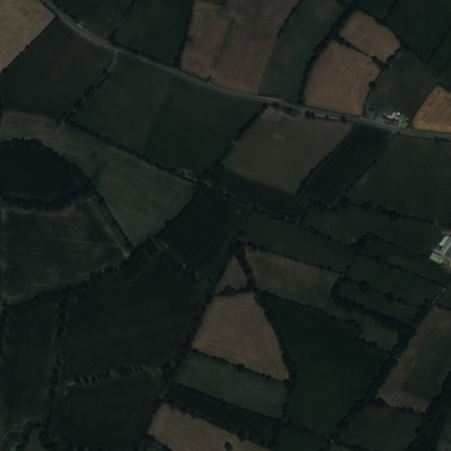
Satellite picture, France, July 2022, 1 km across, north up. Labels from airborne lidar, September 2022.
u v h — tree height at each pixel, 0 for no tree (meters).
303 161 0
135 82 0
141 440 7
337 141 0
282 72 0
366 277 0
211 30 0
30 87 0
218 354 0
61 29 0
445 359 0
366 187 0
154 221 0
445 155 0
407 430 0
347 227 0
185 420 0
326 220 0
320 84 0
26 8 0
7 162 0
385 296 8
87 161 0
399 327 24
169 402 13
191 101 0
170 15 0
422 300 0
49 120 0
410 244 0
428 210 0
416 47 0
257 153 0
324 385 0
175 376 7
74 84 0
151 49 0
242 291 10
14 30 0
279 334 8
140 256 21
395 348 14
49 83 0
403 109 0
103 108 0
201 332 0
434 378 0
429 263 0
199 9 0
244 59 0
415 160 0
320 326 0
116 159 0
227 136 0
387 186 0
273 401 0
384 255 0
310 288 0
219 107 0
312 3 0
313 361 0
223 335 0
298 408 0
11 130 0
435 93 0
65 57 0
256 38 0
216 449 0
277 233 0
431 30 0
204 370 0
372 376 0
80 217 0
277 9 0
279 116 0
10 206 16
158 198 0
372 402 15
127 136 0
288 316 0
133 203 0
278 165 0
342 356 0
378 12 0
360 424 0
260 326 0
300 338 0
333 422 0
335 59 0
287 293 0
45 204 15
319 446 0
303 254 0
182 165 0
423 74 0
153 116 0
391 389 0
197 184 7
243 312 0
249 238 0
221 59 0
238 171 0
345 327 0
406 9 0
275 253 6
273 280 0
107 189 0
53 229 0
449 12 0
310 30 0
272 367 0
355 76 0
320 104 0
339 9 0
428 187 0
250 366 0
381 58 0
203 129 0
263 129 0
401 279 0
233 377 0
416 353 0
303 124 0
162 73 0
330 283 0
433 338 0
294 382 10
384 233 0
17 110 0
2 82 0
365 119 0
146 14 0
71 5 0
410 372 0
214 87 0
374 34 0
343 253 0
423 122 0
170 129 0
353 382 0
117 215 0
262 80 0
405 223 0
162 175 0
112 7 0
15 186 0
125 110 0
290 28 0
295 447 0
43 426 8
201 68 0
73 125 15
